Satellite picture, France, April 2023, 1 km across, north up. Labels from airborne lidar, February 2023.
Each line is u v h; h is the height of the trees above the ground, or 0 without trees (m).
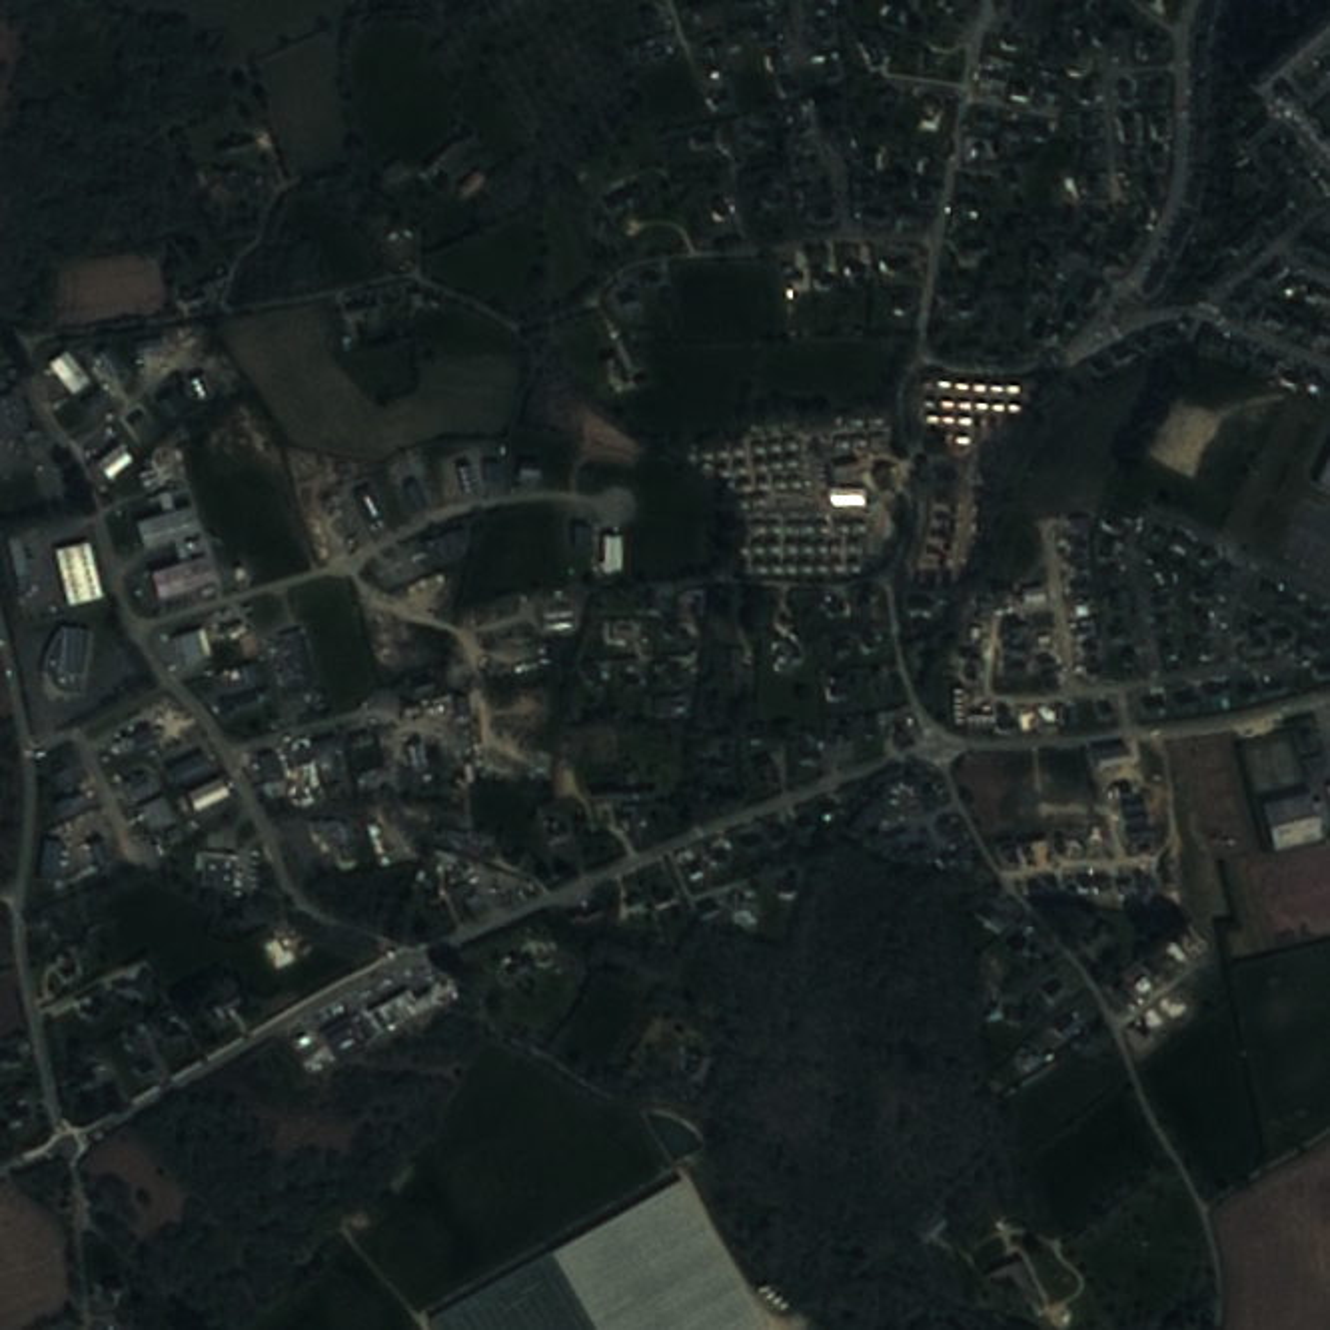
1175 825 0
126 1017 9
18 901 0
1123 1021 0
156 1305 7
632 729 9
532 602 0
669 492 0
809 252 9
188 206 9
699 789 13
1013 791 0
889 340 11
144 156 8
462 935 0
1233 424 0
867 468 27
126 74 7
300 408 0
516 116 17
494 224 10
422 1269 0
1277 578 0
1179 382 14
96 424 0
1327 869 0
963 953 10
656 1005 9
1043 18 0
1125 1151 0
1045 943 12
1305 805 0
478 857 0
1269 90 0
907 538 16
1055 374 18
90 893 14
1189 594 0
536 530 0
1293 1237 0
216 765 9
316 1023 0
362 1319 0
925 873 8
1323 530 0
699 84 0
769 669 0
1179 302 0
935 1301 9
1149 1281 0
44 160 9
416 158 0
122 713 0
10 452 0
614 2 0
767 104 7
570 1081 9
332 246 0
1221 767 0
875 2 0
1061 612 0
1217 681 0
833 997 8
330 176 6
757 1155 10
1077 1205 0
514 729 0
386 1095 8
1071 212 9
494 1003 11
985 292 15
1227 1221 0
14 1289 0
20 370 12
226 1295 17
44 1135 6
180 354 0
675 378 0
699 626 11
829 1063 12
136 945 0
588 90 7
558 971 0
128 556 0
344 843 0
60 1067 11
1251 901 0
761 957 15
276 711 0
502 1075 0
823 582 7
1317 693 0
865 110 9
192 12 0
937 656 11
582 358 0
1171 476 0
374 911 7
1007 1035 0
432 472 0
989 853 0
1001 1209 14
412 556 0
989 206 9
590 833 5
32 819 0
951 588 17
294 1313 0
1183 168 0
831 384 0
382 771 0
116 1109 9
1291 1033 0
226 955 0
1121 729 0
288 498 0
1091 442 0
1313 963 0
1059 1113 0
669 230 0
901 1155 9
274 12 0
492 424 0
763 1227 10
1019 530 0
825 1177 11
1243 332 0
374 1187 10
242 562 0
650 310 0
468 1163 0
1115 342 0
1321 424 0
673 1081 14
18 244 7
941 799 0
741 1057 11
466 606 5
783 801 0
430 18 11
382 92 0
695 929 14
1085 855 0
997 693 0
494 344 0
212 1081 0
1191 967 0
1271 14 17
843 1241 12
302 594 0
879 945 6
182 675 0
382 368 0
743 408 10
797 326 0
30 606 0
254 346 0
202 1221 6
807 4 0
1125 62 0
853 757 0
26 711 7
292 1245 12
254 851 0
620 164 8
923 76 0
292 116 0
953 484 15
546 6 8
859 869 9
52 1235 0
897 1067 13
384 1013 0
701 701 10
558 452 0
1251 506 0
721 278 0
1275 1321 0
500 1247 0
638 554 0
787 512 0
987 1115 11
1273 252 0
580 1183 0
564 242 0
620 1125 0
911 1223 10
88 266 0
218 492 0
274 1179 11
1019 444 12
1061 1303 0
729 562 12
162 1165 6
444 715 0
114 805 0
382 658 0
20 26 8
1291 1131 0
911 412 16
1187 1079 0
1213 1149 0
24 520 11
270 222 8
